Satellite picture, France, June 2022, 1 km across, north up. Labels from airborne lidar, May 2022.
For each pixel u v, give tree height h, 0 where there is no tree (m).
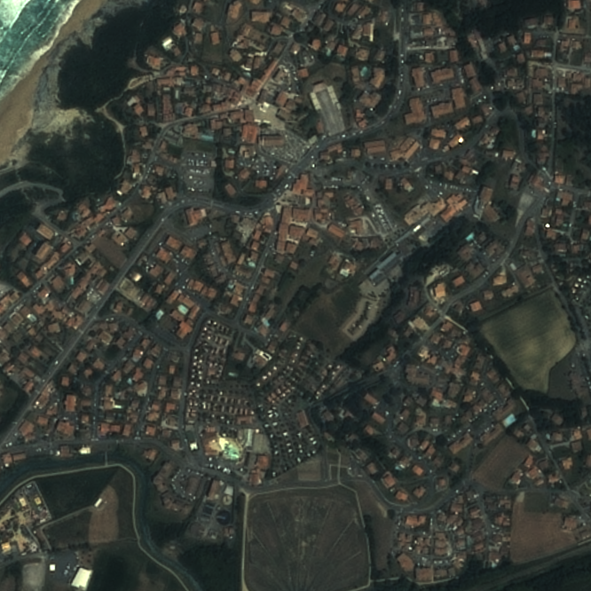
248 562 0
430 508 0
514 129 0
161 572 0
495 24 21
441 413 0
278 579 0
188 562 7
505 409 0
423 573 0
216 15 0
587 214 8
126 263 0
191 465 0
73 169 0
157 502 0
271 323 9
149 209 0
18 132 0
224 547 9
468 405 10
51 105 0
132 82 0
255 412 7
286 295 0
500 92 11
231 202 9
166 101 0
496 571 20
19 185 0
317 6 0
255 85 0
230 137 8
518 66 6
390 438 0
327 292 0
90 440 0
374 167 6
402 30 0
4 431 11
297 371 6
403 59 0
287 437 5
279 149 0
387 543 0
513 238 0
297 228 0
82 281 0
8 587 0
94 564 0
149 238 0
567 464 0
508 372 14
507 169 0
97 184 0
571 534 0
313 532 0
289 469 7
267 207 0
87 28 0
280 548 0
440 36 0
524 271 0
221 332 5
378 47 6
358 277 0
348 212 0
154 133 8
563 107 13
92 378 10
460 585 20
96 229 0
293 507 0
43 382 0
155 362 8
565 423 10
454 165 12
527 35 0
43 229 0
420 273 14
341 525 0
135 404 0
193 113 8
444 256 9
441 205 0
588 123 24
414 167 0
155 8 6
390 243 6
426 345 0
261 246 7
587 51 0
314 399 8
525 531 0
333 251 0
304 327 0
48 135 0
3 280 9
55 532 0
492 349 9
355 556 0
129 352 9
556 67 0
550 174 0
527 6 15
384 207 0
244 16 0
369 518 13
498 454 0
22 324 0
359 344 11
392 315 9
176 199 8
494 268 0
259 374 7
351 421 19
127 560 0
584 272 9
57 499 0
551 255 6
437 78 0
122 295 6
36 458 6
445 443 12
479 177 16
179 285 0
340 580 0
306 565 0
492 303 0
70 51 0
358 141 7
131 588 0
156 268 0
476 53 21
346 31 9
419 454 10
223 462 0
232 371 0
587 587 0
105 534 0
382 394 0
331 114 0
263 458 0
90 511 0
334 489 0
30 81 0
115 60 6
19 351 13
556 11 13
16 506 0
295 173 0
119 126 0
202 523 0
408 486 0
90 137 0
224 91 0
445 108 0
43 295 0
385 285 0
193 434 0
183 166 0
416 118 0
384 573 9
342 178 0
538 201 0
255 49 6
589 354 0
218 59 0
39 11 0
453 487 7
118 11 0
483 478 0
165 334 0
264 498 0
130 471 0
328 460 0
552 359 0
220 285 7
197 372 7
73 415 0
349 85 11
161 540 7
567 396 0
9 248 7
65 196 6
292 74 0
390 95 18
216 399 7
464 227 25
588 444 0
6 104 0
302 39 17
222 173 7
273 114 0
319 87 0
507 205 12
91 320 0
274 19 9
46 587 0
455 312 6
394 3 12
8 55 0
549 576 14
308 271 0
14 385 10
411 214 0
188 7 6
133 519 0
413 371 0
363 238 0
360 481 0
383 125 0
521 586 8
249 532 0
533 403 14
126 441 0
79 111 0
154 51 0
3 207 6
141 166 7
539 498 0
